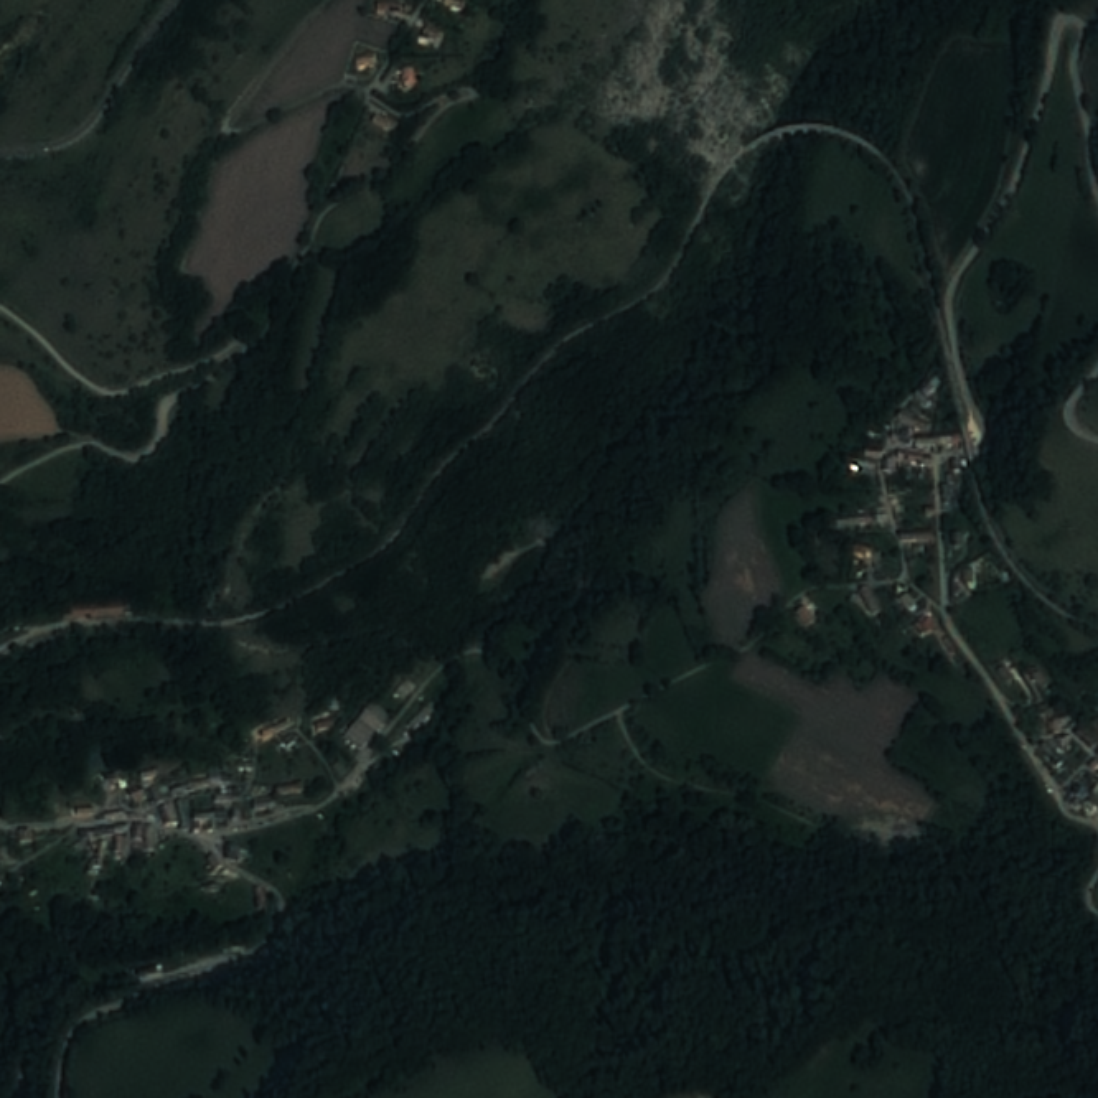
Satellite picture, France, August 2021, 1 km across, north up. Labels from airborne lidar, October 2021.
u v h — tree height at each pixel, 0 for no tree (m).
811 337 27
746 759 0
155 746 20
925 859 28
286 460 10
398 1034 29
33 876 11
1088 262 0
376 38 0
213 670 18
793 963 12
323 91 0
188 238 15
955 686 0
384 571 7
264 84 0
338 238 0
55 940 23
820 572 14
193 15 14
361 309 12
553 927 31
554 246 0
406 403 10
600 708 0
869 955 25
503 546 11
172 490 17
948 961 10
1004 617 0
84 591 18
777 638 7
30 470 0
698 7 8
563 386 15
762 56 10
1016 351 14
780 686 0
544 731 0
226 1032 0
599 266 0
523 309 0
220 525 8
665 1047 24
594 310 18
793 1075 11
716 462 18
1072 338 0
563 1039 26
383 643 22
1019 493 16
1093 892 0
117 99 17
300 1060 23
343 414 0
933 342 9
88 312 0
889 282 13
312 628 10
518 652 0
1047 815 7
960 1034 13
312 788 10
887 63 23
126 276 0
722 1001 29
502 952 25
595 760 0
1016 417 21
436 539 11
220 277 0
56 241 0
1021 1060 16
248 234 0
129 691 0
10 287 0
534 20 9
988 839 15
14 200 0
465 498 12
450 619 18
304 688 8
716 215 14
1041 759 0
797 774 0
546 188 0
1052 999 31
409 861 14
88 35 0
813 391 0
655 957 29
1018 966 27
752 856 28
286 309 29
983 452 7
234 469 21
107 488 10
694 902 23
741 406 14
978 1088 20
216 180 0
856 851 17
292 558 0
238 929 14
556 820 0
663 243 12
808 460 0
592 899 25
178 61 14
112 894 12
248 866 0
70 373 0
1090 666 8
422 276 0
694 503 6
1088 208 0
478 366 11
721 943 13
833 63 26
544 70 0
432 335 0
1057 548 0
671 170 7
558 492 16
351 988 25
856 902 16
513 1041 16
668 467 15
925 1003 19
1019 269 12
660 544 0
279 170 0
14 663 17
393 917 19
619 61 6
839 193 0
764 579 0
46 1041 21
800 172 15
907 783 0
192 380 12
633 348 10
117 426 8
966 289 0
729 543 0
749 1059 20
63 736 8
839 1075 0
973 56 0
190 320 13
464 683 14
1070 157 0
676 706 0
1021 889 14
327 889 16
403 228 17
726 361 20
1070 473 0
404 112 10
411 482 17
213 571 6
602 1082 25
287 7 0
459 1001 30
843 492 8
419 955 28
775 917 17
